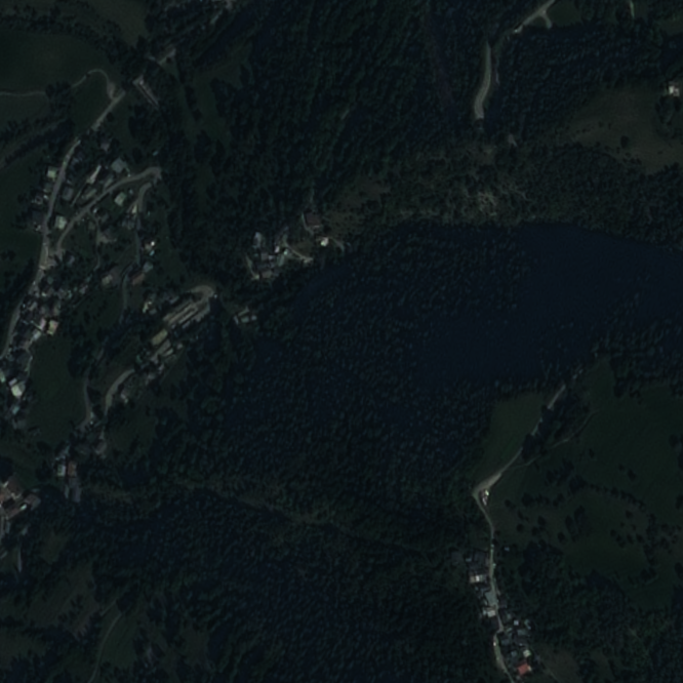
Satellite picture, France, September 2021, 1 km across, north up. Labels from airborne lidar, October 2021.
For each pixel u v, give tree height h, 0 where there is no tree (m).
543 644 7
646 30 15
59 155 13
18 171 0
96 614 0
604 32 23
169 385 0
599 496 6
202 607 16
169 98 13
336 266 11
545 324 14
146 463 7
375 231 16
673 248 22
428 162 8
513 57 9
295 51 26
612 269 23
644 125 0
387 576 17
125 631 0
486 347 20
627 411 0
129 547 17
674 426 0
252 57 0
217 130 0
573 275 21
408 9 15
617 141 0
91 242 6
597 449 0
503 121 22
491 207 16
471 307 25
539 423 0
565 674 0
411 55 9
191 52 11
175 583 17
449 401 20
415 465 14
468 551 9
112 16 0
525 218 13
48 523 10
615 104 0
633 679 15
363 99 18
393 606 26
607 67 18
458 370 21
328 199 13
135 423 0
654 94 11
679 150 0
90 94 0
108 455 0
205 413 15
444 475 19
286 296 14
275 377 25
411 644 19
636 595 0
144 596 10
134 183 0
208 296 0
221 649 21
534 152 13
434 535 26
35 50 0
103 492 10
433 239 10
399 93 21
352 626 31
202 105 0
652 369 20
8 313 10
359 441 12
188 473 19
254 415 24
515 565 0
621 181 19
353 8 27
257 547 27
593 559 0
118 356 9
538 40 16
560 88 16
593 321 14
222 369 19
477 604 8
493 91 0
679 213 17
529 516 0
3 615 0
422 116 23
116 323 0
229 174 16
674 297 21
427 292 27
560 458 0
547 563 14
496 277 23
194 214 20
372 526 19
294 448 20
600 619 25
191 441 15
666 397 0
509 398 17
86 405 0
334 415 21
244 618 19
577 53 26
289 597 28
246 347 17
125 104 0
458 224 6
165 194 0
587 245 14
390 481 16
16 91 0
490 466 0
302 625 29
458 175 12
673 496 0
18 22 14
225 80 0
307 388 20
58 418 0
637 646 13
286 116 18
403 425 22
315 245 10
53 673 13
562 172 23
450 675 25
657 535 11
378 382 24
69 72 0
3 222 0
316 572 10
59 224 0
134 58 14
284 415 20
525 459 10
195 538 20
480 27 15
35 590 19
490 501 0
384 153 19
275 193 8
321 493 10
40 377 0
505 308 23
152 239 8
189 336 8
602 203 20
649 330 33
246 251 8
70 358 0
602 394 0
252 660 13
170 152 13
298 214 11
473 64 19
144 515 24
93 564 15
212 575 22
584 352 8
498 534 7
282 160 19
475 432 21
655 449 0
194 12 12
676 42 7
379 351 24
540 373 18
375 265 12
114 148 8
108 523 20
